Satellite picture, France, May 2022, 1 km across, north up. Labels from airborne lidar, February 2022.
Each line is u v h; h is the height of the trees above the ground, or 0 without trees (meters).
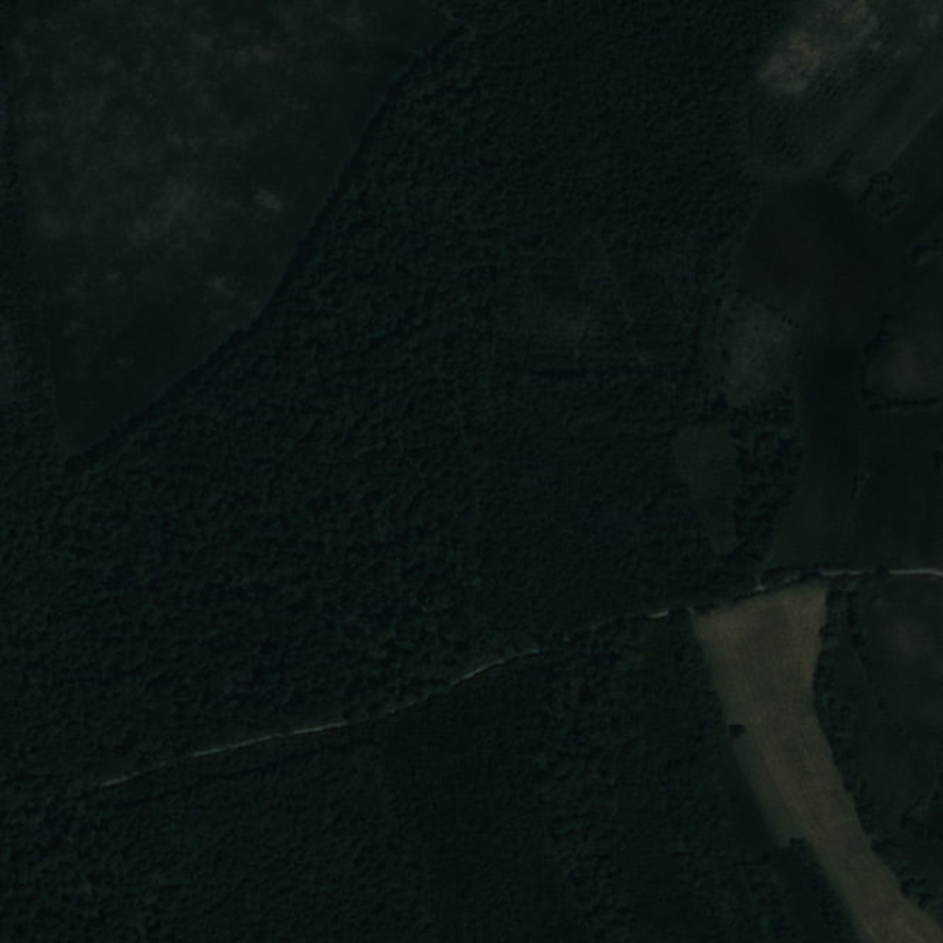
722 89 16
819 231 0
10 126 17
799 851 9
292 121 0
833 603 17
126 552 22
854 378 0
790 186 0
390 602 23
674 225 17
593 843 20
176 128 0
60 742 23
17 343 20
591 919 20
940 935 0
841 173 7
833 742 11
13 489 21
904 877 15
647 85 10
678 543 7
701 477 0
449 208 24
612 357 0
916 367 0
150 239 0
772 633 0
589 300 0
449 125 23
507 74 16
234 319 0
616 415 21
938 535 0
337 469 29
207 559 22
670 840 10
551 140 14
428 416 26
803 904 0
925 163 0
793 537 0
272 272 0
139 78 0
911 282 0
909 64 0
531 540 12
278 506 24
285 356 21
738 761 0
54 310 0
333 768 16
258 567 26
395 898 18
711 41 12
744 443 25
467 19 16
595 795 20
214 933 15
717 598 13
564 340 0
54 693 24
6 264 15
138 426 17
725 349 0
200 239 0
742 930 13
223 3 0
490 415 21
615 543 19
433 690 22
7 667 24
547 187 12
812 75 0
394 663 28
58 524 12
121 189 0
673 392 18
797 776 0
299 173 0
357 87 0
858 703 0
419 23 0
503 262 20
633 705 26
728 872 12
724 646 0
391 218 21
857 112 0
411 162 20
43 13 0
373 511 28
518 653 17
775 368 0
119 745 12
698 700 14
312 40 0
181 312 0
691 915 7
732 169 13
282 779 20
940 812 0
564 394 26
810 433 0
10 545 21
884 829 8
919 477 0
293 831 16
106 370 0
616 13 11
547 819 11
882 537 0
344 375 26
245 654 24
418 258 27
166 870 17
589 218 14
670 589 20
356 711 26
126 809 16
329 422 30
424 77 22
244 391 29
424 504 26
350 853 13
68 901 22
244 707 28
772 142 0
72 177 0
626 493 18
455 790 10
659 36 12
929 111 0
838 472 0
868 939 0
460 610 25
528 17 12
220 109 0
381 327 18
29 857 22
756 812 0
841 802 0
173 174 0
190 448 27
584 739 28
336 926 15
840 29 0
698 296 14
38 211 0
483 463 19
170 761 18
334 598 22
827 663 13
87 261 0
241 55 0
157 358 0
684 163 14
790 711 0
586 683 29
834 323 0
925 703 0
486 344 20
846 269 0
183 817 14
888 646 0
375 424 28
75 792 21
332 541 26
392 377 27
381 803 16
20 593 22
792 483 23
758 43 19
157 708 24
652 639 6
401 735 10
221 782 17
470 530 19
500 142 15
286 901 25
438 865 6
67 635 27
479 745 7
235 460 28
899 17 0
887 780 0
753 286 0
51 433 18
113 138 0
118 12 0
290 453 29
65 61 0
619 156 12
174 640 18
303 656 29
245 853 17
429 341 27
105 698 23
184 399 23
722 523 0
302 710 25
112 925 11
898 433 0
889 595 0
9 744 22
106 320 0
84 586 24
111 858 20
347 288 26
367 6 0
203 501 25
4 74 13
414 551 27
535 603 9
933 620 0
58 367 0
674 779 17
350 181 17
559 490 13
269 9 0
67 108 0
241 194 0
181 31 0
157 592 23
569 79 13
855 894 0
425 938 19
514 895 8
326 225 17
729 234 18
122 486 23
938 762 0
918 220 0
